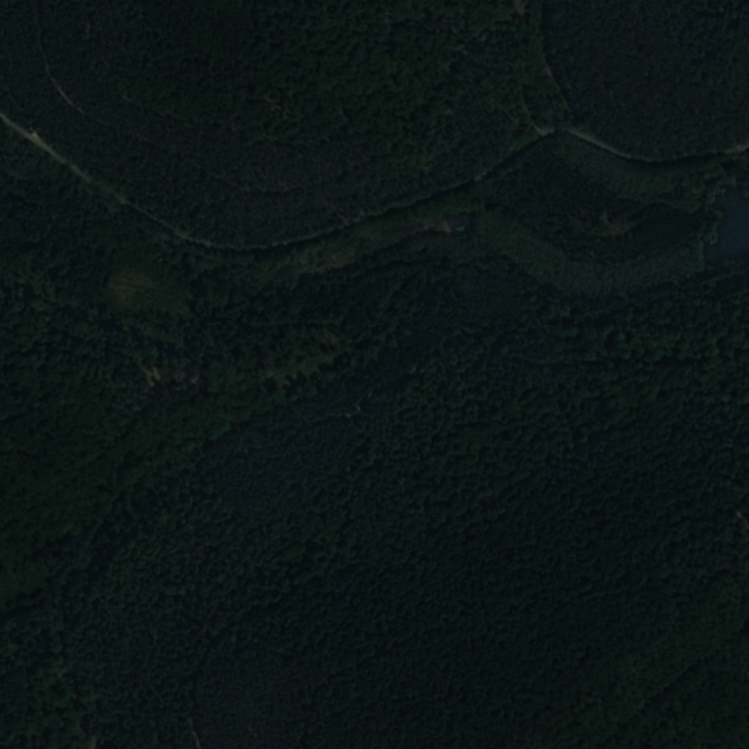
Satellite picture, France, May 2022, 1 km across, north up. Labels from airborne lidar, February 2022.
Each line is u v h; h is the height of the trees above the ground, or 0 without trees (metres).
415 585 29
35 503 32
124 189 27
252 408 25
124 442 32
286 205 25
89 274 16
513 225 26
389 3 31
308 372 0
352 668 20
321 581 27
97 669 22
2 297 29
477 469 25
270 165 22
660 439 30
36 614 30
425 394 28
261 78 27
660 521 27
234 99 24
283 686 26
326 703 24
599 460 30
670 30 22
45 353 33
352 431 26
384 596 23
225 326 36
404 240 0
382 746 28
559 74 24
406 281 13
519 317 21
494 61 32
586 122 23
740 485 33
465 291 17
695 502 30
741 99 25
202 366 32
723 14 16
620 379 31
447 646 27
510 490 34
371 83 29
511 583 28
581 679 28
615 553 29
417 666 26
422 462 28
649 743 28
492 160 22
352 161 28
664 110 23
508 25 26
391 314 19
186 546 29
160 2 19
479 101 36
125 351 26
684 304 26
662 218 16
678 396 26
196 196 22
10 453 32
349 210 23
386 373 14
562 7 21
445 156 25
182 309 0
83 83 19
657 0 21
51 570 21
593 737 31
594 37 23
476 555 22
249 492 28
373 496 33
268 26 28
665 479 31
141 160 23
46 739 34
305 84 31
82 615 29
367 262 14
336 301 17
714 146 27
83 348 29
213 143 22
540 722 29
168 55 27
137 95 26
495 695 27
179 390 26
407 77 24
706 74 27
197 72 22
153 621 31
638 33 23
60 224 7
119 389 32
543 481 24
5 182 15
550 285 23
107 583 31
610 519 28
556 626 29
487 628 29
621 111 20
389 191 27
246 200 24
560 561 29
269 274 6
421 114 29
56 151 19
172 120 20
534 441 31
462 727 25
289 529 32
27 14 20
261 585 31
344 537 31
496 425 32
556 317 30
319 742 25
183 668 29
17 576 31
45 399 32
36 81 22
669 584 27
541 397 28
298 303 14
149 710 28
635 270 23
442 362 27
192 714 23
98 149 24
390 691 28
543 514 30
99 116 22
